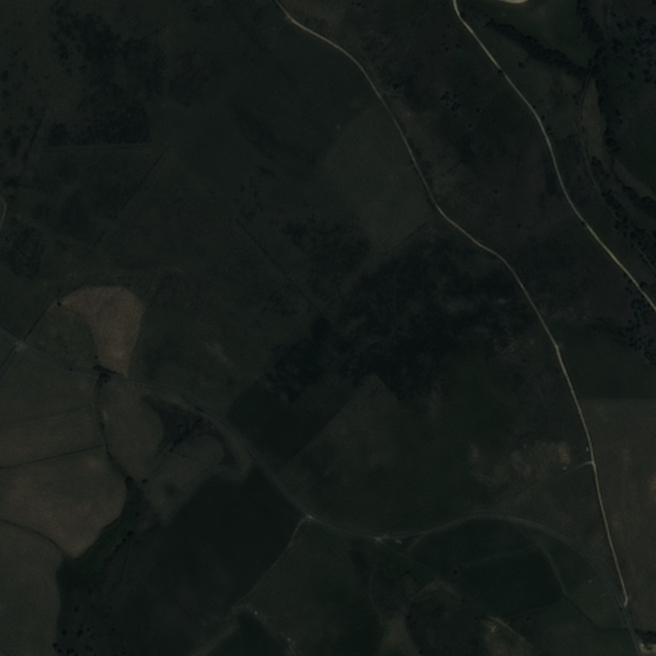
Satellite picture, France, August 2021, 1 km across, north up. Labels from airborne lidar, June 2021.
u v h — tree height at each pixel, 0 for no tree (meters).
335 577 0
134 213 0
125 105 0
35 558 0
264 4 0
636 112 0
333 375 0
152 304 0
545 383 0
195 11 0
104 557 0
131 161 0
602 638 0
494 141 0
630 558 0
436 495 0
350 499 0
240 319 0
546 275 0
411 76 0
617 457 0
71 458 0
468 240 0
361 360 0
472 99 0
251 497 0
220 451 0
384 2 0
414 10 0
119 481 0
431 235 0
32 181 0
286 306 0
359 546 0
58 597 0
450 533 0
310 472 0
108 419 0
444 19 0
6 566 0
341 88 0
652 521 0
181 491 0
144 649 0
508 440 0
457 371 0
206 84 0
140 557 0
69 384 0
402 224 0
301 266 0
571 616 0
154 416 0
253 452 0
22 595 0
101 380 6
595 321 0
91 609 0
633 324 6
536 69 0
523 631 0
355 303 0
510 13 0
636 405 0
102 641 0
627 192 8
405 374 0
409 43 0
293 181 0
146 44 0
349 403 0
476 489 0
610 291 0
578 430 0
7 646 0
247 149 0
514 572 0
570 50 0
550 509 0
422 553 0
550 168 0
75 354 0
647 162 0
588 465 0
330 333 0
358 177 0
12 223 0
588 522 0
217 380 0
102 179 0
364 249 0
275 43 0
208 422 0
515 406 0
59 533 0
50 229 0
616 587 0
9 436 0
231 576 0
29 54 0
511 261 0
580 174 0
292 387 0
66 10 0
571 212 0
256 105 0
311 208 0
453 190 0
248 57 0
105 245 0
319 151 0
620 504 0
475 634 0
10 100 0
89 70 0
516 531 0
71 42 0
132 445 0
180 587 0
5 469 0
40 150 0
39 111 0
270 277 0
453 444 0
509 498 0
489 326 0
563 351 0
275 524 0
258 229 0
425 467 0
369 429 0
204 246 0
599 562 0
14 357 0
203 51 0
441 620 0
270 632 0
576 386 0
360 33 0
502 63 0
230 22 0
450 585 0
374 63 0
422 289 0
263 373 0
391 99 0
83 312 0
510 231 0
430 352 0
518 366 0
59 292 0
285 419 0
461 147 0
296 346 0
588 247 0
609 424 0
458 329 0
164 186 0
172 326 0
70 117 0
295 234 0
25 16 0
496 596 0
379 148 0
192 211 0
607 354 0
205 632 0
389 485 0
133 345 0
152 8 0
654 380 0
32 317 0
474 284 0
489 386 0
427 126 0
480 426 0
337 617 0
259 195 0
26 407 0
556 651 0
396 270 0
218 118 0
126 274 0
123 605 0
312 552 0
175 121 0
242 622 0
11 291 0
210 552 0
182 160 0
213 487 0
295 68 0
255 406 0
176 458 0
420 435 0
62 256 0
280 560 0
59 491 0
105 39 0
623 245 0
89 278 0
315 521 0
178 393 0
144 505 0
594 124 0
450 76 0
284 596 0
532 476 0
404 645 0
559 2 0
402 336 0
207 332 0
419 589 0
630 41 0
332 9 0
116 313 0
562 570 0
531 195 0
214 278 0
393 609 0
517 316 0
